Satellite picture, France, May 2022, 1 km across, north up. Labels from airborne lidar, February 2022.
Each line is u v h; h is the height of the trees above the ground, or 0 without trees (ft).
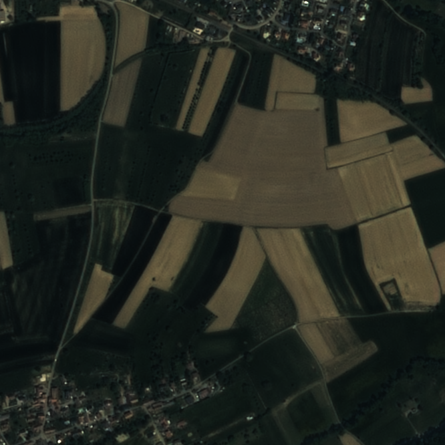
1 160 0
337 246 0
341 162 0
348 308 0
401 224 0
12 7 0
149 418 48
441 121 0
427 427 0
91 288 0
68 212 0
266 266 0
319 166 0
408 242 0
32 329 0
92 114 31
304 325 0
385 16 0
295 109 0
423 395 0
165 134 0
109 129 0
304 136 0
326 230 0
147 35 0
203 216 0
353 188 0
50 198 0
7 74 0
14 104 0
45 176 0
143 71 0
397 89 0
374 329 0
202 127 0
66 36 0
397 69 0
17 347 0
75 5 0
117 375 0
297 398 0
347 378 0
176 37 0
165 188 0
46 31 0
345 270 0
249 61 0
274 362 0
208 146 0
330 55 41
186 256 0
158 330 0
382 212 0
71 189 0
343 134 0
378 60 0
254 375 0
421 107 0
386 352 0
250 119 0
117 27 0
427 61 0
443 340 0
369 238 0
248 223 0
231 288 0
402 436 0
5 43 0
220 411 0
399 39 0
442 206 0
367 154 0
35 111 0
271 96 0
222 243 0
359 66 0
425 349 0
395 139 0
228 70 0
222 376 39
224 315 0
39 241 0
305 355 0
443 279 0
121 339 0
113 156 0
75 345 0
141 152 0
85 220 0
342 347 0
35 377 0
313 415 0
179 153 0
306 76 0
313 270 0
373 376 0
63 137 21
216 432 0
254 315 0
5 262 0
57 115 0
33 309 0
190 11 0
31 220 0
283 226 0
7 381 0
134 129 0
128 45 0
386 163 0
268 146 0
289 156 0
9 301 0
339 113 0
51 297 0
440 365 55
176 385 20
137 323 0
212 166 0
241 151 0
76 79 0
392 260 0
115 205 0
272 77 0
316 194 0
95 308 0
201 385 0
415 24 0
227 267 0
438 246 0
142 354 0
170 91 0
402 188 0
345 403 0
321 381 0
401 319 0
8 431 0
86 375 0
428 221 0
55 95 0
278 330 0
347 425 60
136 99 0
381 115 0
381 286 0
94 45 0
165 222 0
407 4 0
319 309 0
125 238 0
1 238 0
